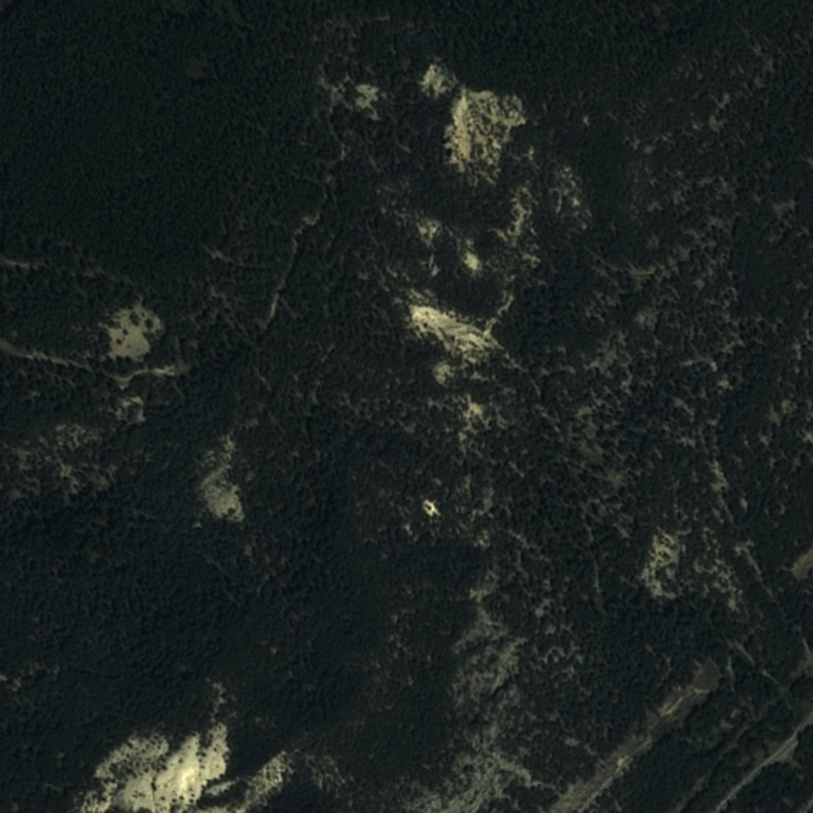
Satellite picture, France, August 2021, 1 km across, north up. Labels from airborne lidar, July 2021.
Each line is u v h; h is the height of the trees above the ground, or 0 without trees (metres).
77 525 19
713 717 20
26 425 17
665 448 13
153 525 12
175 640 13
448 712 9
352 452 17
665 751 16
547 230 14
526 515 14
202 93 22
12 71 20
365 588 11
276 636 14
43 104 19
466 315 6
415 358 14
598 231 15
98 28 22
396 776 8
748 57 17
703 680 0
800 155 16
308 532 20
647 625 19
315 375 16
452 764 6
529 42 27
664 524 13
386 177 12
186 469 9
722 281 10
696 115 13
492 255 9
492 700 11
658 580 14
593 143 14
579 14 21
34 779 12
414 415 13
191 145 26
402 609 12
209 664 13
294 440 14
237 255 17
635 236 11
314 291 17
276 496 18
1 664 14
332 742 8
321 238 20
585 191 11
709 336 11
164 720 12
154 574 10
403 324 8
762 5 15
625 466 7
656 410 22
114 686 12
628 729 14
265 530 13
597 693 18
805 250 18
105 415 10
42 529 26
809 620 21
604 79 14
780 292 18
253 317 17
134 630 16
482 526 9
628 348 10
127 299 10
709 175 11
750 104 15
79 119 22
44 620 17
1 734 14
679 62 13
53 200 21
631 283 17
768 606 15
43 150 23
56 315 17
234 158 24
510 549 11
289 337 19
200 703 14
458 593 11
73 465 13
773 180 16
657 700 14
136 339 0
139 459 10
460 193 6
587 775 10
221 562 16
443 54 15
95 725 12
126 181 25
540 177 11
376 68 16
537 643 6
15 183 17
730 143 15
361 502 11
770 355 18
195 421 13
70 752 14
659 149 12
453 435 9
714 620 18
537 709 12
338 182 10
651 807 15
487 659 7
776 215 13
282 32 19
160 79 24
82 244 20
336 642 10
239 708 10
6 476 12
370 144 7
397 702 10
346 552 6
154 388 7
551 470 19
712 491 15
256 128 18
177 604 14
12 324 19
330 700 14
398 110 16
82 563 14
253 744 11
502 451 19
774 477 17
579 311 16
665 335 16
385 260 9
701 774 16
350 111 16
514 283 10
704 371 15
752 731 10
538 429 9
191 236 23
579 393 12
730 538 19
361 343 10
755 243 12
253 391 12
